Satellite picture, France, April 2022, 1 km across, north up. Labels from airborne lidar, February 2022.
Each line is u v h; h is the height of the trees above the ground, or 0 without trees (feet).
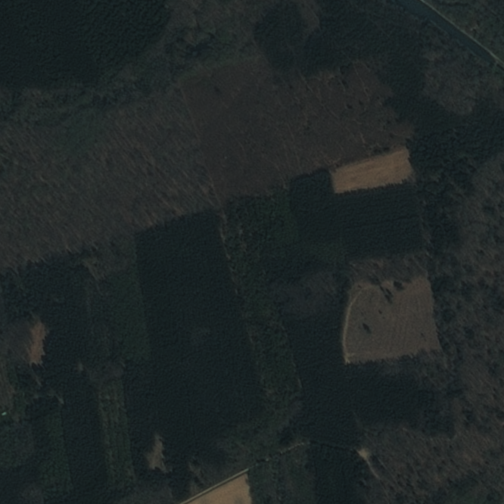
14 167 85
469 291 82
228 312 83
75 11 71
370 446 91
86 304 76
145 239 72
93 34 87
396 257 94
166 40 87
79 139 99
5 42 78
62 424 60
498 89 23
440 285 85
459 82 82
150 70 71
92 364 87
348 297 88
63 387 86
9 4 94
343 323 75
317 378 72
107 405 67
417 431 81
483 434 72
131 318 71
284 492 51
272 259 65
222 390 74
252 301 45
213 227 80
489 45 48
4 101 75
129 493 77
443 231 80
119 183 91
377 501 85
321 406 72
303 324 74
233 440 66
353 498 74
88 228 104
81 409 90
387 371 76
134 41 96
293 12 46
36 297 78
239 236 23
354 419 77
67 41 78
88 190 94
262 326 40
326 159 19
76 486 78
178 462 74
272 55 58
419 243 74
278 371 48
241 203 31
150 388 91
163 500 77
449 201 94
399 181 0
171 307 67
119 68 72
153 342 68
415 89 56
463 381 82
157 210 102
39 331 0
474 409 74
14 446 89
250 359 79
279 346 58
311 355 67
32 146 102
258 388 78
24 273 73
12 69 76
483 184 76
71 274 85
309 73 53
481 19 51
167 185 94
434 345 0
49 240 0
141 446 91
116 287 63
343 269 83
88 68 75
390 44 49
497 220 74
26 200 95
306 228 70
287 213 61
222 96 46
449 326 73
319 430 73
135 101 96
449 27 0
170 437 70
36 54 80
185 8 98
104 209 101
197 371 75
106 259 80
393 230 69
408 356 0
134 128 98
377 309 0
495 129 60
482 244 92
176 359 71
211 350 79
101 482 74
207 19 104
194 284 76
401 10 66
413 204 69
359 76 25
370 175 0
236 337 74
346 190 0
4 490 80
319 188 68
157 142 96
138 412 81
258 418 40
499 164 79
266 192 48
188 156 107
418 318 0
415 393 75
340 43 54
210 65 101
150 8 94
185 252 73
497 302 89
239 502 0
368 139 35
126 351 83
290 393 36
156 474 65
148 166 99
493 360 69
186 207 87
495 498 85
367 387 71
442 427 90
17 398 51
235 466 63
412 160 0
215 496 0
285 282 79
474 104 75
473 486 83
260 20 65
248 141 40
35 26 84
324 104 26
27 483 86
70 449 87
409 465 108
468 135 81
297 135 34
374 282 89
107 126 88
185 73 86
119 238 78
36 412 75
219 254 75
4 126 96
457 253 81
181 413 70
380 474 98
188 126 89
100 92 94
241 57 94
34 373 93
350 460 69
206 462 76
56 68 76
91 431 84
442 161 103
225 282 75
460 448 89
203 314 81
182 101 88
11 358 62
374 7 50
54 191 88
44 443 65
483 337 81
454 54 78
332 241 67
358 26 54
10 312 86
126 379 60
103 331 75
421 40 49
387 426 46
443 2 84
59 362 92
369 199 68
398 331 0
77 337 89
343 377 75
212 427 70
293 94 41
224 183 41
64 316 87
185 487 77
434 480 107
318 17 40
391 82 56
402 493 94
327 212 69
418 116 55
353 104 35
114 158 92
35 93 94
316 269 88
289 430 51
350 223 54
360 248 68
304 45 48
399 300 0
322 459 61
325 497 55
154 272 65
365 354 0
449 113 57
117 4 92
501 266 92
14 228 96
